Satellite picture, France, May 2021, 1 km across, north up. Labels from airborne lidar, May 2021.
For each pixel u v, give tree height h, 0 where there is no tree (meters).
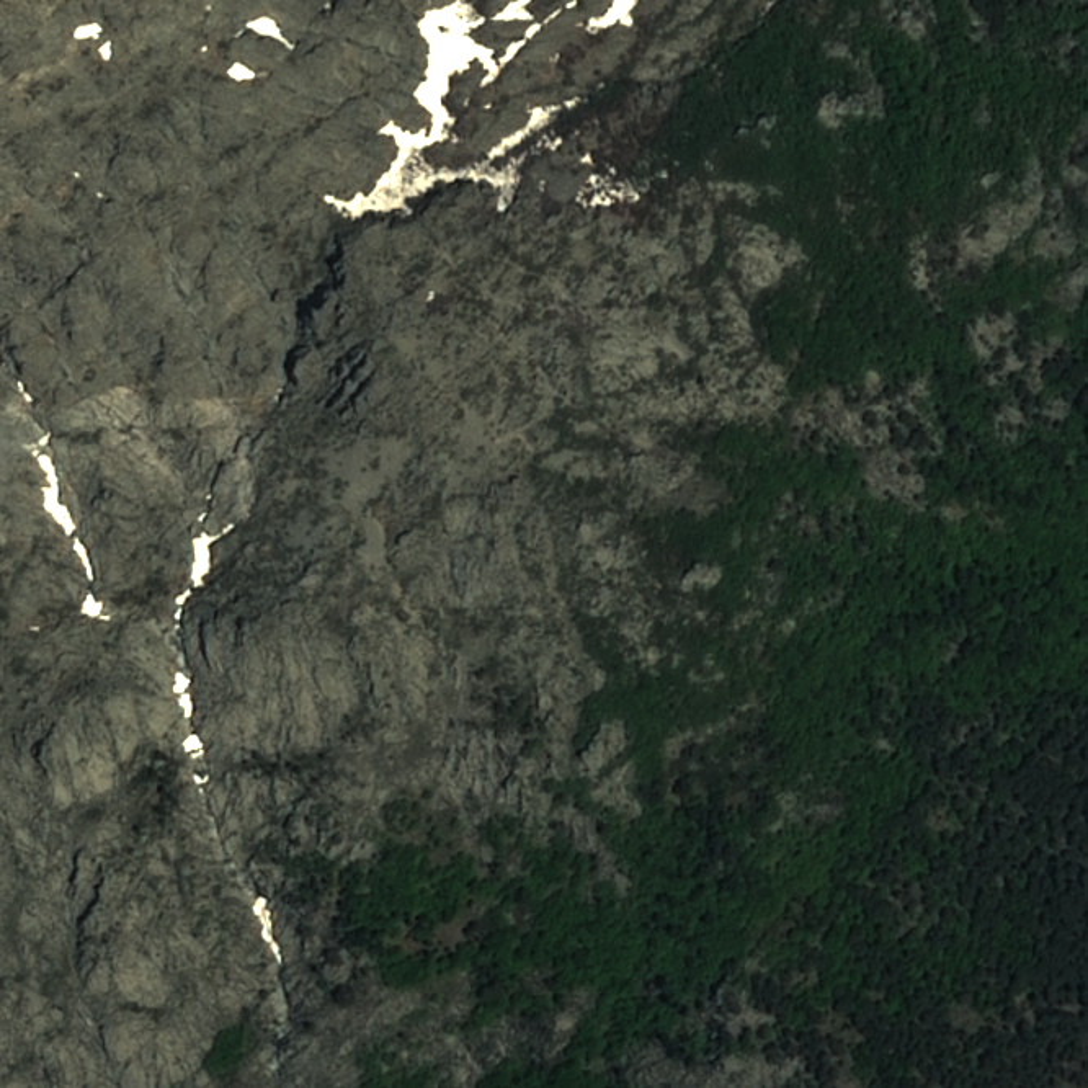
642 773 8
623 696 10
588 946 24
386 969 11
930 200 11
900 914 23
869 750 19
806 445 14
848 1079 0
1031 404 22
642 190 7
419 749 0
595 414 0
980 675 24
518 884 14
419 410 0
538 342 0
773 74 15
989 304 10
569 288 0
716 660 11
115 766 0
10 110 0
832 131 11
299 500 0
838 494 11
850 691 22
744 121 10
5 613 0
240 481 0
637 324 0
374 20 0
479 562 0
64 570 0
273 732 0
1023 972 30
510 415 0
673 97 8
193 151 0
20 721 0
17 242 0
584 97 10
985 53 5
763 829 6
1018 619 19
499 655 0
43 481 0
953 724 12
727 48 15
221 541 0
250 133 0
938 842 12
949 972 20
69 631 0
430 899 14
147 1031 0
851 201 11
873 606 19
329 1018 0
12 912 0
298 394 0
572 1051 17
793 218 9
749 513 12
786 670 16
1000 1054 22
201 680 0
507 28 0
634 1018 9
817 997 11
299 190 0
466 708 0
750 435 12
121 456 0
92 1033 0
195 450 0
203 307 0
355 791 0
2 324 0
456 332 0
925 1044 19
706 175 6
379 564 0
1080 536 25
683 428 0
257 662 0
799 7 6
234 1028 8
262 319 0
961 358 15
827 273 8
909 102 15
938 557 28
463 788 0
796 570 14
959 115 17
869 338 18
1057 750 25
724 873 7
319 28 0
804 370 10
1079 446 23
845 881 21
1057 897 23
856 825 26
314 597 0
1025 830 19
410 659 0
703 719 5
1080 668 21
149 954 0
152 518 0
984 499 15
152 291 0
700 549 10
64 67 0
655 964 14
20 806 0
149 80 0
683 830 14
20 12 0
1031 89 10
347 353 0
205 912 8
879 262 12
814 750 18
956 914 25
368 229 0
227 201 0
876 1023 24
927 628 23
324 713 0
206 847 0
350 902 12
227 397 0
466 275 0
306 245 0
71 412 0
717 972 9
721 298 0
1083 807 24
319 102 0
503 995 8
